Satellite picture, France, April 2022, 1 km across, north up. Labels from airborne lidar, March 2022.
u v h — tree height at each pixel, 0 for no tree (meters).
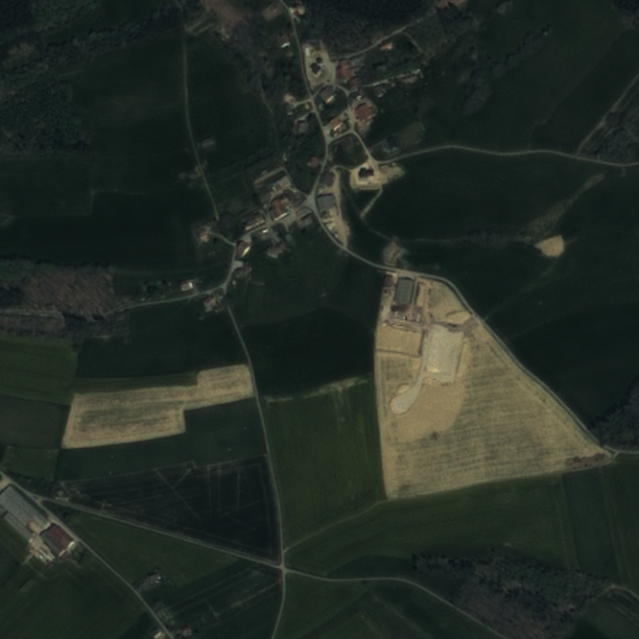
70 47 9
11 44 17
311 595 0
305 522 0
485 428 0
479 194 0
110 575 0
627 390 0
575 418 0
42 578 0
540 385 0
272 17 0
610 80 0
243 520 0
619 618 0
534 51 17
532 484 0
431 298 0
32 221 0
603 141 0
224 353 0
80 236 0
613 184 0
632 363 0
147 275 0
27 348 0
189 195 0
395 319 0
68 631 0
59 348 0
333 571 0
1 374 0
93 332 16
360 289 0
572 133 0
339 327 0
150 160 0
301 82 9
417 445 0
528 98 0
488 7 0
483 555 0
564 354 0
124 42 12
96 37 13
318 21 25
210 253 0
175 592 0
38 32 12
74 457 0
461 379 0
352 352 0
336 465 0
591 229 0
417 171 0
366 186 0
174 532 0
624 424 23
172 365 0
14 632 0
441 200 0
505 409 0
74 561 0
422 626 0
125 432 0
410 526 0
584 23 0
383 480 0
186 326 0
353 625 0
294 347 0
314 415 0
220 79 0
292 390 0
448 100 0
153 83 0
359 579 0
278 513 0
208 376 0
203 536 0
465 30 26
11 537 0
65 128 14
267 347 0
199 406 0
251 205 0
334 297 0
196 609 0
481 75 19
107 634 0
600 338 0
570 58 0
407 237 0
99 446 0
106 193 0
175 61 0
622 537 0
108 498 0
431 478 0
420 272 0
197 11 15
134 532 0
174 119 0
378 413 0
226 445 0
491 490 0
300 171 8
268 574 0
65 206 0
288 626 0
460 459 0
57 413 0
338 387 0
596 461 0
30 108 10
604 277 0
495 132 0
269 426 0
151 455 0
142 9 0
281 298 0
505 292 0
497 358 0
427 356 0
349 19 19
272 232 0
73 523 0
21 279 23
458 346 0
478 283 0
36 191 0
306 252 0
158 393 0
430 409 0
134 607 0
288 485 0
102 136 0
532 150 0
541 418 0
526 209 0
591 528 0
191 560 0
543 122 0
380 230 0
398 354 0
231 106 0
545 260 0
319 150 0
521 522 0
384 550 0
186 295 0
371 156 0
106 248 0
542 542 0
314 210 0
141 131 0
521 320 0
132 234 0
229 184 0
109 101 0
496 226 0
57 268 9
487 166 0
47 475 0
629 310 0
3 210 8
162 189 0
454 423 0
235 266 0
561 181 0
